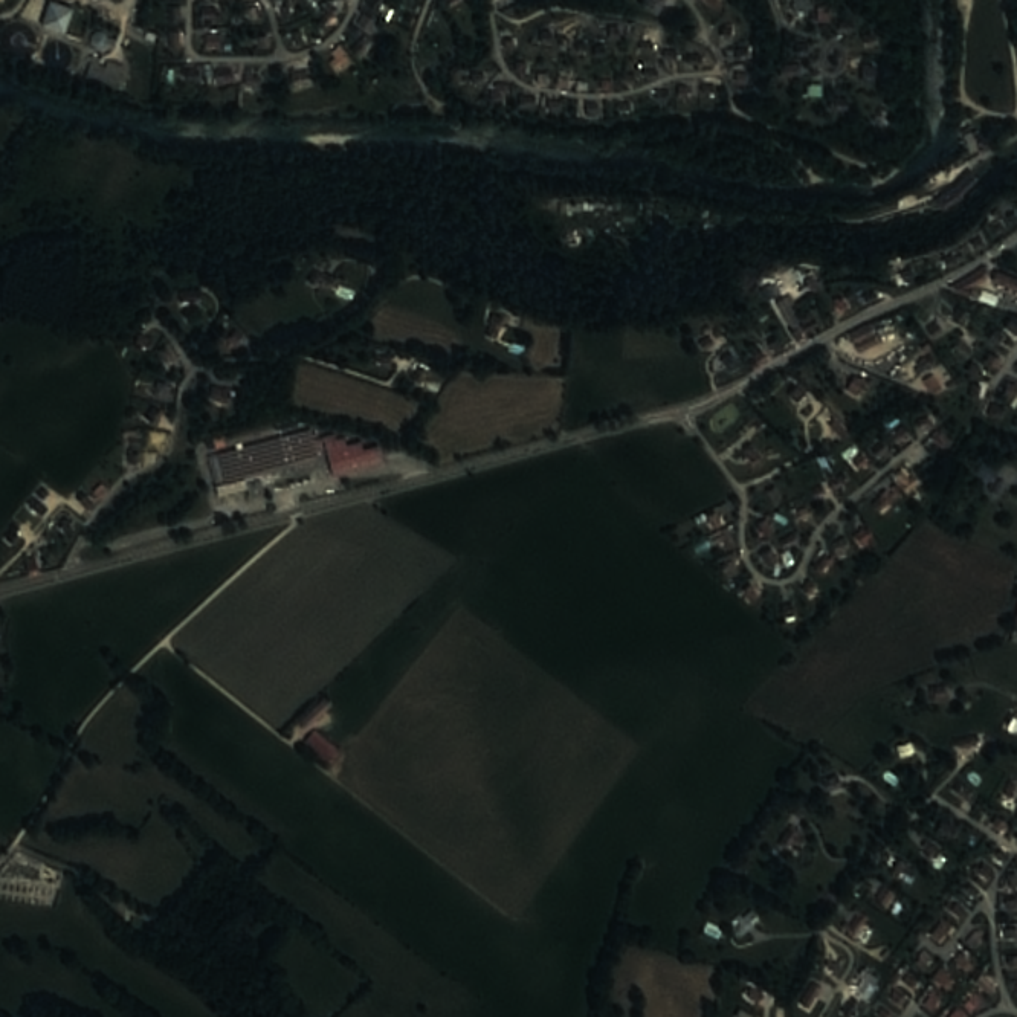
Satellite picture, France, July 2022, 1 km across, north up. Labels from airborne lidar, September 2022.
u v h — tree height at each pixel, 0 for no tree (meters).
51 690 0
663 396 0
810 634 16
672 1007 0
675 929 0
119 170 0
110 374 0
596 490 0
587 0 17
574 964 0
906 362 0
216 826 0
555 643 0
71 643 0
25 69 19
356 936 0
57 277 20
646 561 0
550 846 0
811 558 0
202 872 16
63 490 0
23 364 0
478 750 0
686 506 0
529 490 0
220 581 0
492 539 0
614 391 0
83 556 0
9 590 0
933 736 0
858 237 9
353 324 13
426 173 23
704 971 0
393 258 25
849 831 0
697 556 0
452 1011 0
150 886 0
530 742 0
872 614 0
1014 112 0
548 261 8
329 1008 0
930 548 0
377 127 16
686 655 0
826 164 20
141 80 0
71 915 0
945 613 0
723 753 0
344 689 0
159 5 8
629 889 12
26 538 0
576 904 0
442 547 0
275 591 0
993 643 14
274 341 21
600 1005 20
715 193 19
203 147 21
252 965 24
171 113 17
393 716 0
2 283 22
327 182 18
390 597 0
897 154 12
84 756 15
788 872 17
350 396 0
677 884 0
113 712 0
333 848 0
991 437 7
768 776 0
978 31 0
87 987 0
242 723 0
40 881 0
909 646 0
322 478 0
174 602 0
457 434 0
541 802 0
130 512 20
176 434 0
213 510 0
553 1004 0
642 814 0
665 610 0
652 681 0
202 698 0
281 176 21
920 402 10
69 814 0
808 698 0
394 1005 0
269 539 0
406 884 0
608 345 0
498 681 0
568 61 6
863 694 0
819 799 15
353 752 0
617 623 0
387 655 0
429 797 0
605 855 0
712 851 0
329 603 0
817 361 10
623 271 6
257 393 17
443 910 0
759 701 0
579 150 0
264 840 19
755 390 13
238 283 22
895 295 0
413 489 0
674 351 0
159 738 17
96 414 0
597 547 0
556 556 0
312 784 0
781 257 12
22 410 0
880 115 0
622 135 17
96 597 0
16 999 0
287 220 21
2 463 0
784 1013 0
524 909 0
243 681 0
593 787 0
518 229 6
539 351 0
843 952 0
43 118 13
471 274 11
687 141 20
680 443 0
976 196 7
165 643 0
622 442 0
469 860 0
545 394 0
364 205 24
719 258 19
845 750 0
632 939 15
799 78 12
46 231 7
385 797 0
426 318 0
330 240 25
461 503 0
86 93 14
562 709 0
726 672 0
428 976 0
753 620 0
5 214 0
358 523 0
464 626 0
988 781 0
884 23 18
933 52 0
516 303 25
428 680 0
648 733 0
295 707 0
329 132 0
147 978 0
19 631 0
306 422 14
